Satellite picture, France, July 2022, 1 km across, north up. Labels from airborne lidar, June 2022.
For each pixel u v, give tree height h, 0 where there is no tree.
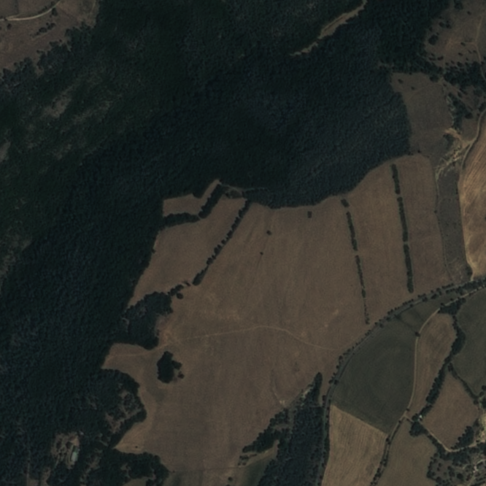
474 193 0
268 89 20
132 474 15
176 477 0
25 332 11
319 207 0
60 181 20
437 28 0
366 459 0
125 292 8
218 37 18
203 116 18
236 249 0
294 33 9
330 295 0
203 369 0
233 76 21
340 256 0
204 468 0
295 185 11
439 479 10
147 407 0
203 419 0
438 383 10
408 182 0
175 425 0
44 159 9
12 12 0
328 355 0
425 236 0
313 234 0
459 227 0
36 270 14
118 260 18
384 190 0
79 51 16
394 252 0
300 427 10
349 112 17
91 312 14
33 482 0
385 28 23
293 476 12
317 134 17
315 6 7
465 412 0
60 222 11
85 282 18
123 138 20
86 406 19
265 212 0
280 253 0
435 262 0
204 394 0
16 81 11
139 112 16
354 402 0
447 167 0
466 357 0
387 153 9
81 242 13
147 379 0
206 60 7
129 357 0
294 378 0
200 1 13
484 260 0
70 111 9
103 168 26
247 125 21
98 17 7
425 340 0
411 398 0
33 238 10
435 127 0
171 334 0
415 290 0
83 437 11
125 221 19
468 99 0
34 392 14
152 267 0
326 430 8
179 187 17
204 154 15
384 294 0
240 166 17
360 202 0
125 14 10
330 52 23
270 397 0
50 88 19
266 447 15
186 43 21
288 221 0
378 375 0
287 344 0
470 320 0
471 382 0
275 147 13
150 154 24
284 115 16
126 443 0
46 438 11
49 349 11
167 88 20
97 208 16
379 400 0
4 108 17
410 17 15
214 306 0
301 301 0
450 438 0
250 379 0
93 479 15
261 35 19
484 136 0
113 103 7
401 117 6
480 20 0
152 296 15
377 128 6
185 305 0
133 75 9
